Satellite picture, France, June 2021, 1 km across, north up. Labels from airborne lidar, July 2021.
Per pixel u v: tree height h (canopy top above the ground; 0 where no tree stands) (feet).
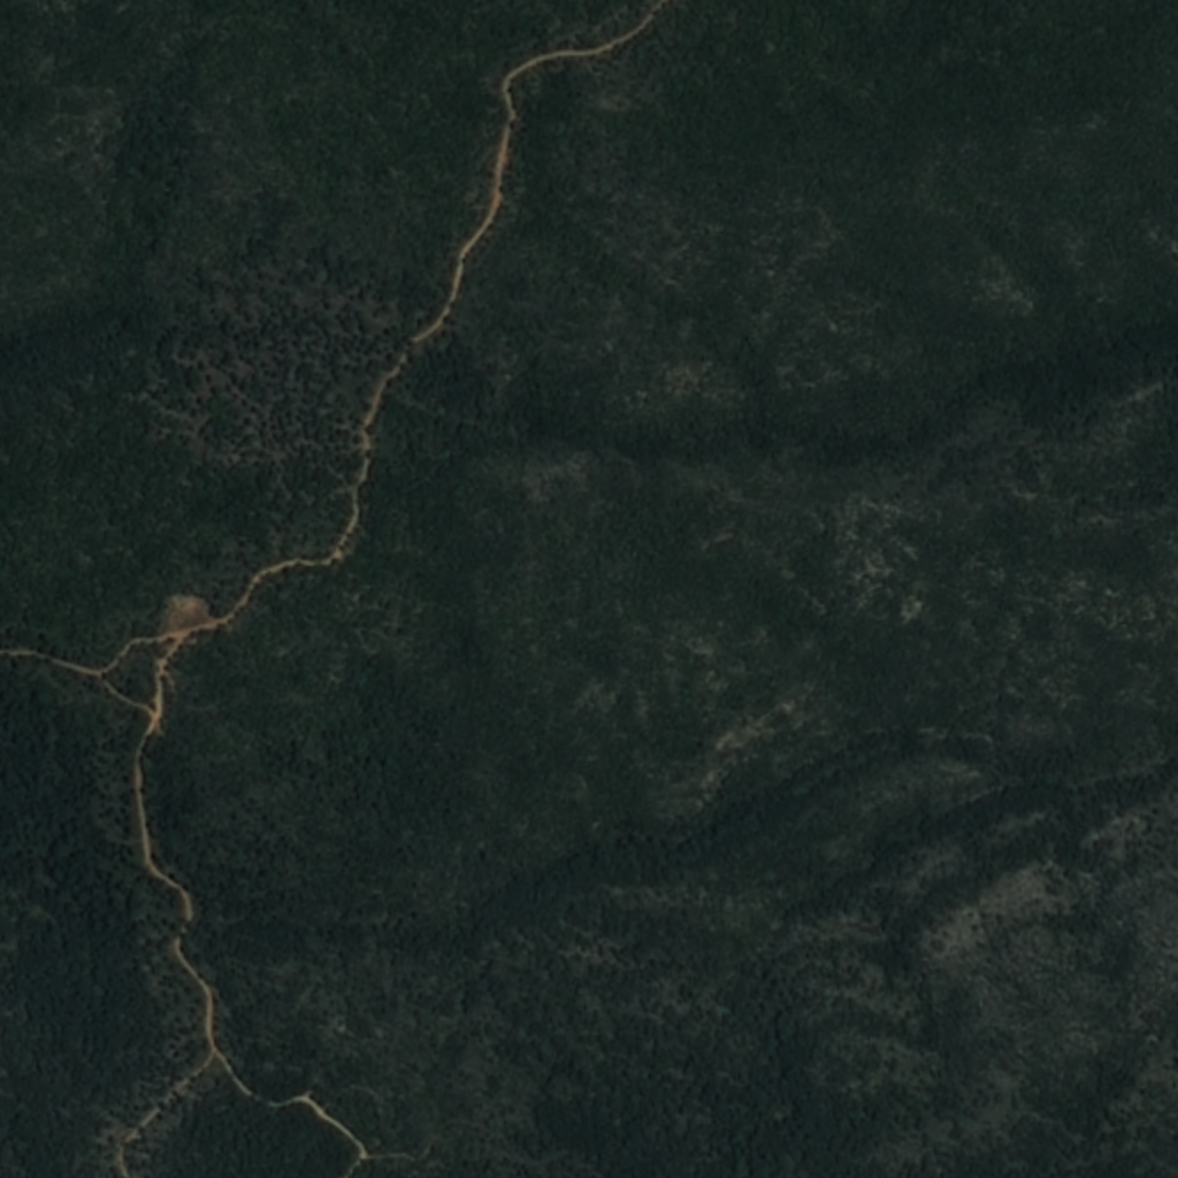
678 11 19
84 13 17
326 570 20
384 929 31
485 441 22
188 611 0
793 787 23
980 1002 0
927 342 20
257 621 18
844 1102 24
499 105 21
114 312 25
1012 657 22
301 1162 19
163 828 31
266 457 21
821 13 20
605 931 22
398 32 19
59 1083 25
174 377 25
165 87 37
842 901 18
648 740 22
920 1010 24
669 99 17
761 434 17
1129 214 26
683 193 20
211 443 21
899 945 25
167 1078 31
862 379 20
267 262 20
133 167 27
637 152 18
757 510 0
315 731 22
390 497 20
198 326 23
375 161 20
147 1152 25
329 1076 22
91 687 23
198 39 18
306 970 19
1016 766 22
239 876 30
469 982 21
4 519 23
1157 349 24
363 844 18
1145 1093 25
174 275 19
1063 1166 22
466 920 22
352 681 27
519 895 31
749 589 18
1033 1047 20
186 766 20
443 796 22
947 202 17
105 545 17
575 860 47
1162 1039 20
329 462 20
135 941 32
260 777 18
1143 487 21
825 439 24
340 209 19
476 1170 19
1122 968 20
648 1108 24
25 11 19
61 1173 33
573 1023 19
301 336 22
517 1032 18
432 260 21
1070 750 26
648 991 24
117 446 19
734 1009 27
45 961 46
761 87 23
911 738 25
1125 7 19
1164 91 34
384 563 19
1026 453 19
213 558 31
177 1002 18
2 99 21
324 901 20
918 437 19
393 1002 25
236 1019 18
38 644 25
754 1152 38
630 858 37
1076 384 24
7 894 20
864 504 0
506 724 28
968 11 19
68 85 0
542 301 0
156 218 24
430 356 34
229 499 18
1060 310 21
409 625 26
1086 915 30
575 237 20
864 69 17
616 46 20
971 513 0
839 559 0
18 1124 34
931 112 17
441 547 21
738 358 31
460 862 18
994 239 23
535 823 18
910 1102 18
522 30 27
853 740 19
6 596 21
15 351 21
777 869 23
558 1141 25
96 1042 30
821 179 22
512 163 20
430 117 19
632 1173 29
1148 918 0
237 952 25
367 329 40
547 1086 18
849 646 20
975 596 20
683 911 20
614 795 20
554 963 33
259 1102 20
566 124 18
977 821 23
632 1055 25
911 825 23
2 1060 19
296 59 20
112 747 41
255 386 32
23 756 33
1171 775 21
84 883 45
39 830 48
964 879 20
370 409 22
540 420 34
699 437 23
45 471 20
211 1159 25
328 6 21
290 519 30
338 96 18
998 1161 26
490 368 31
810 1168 24
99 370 20
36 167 0
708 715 22
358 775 41
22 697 29
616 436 21
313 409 19
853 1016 24
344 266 23
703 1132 21
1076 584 0
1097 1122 20
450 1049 19
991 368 19
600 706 0
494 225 20
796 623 21
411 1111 24
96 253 18
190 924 22
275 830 29
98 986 39
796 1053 24
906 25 28
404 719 25
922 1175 24
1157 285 29
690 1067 32
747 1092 21
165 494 18
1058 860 25
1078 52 17
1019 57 18
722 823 25
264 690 17
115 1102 24
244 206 23
